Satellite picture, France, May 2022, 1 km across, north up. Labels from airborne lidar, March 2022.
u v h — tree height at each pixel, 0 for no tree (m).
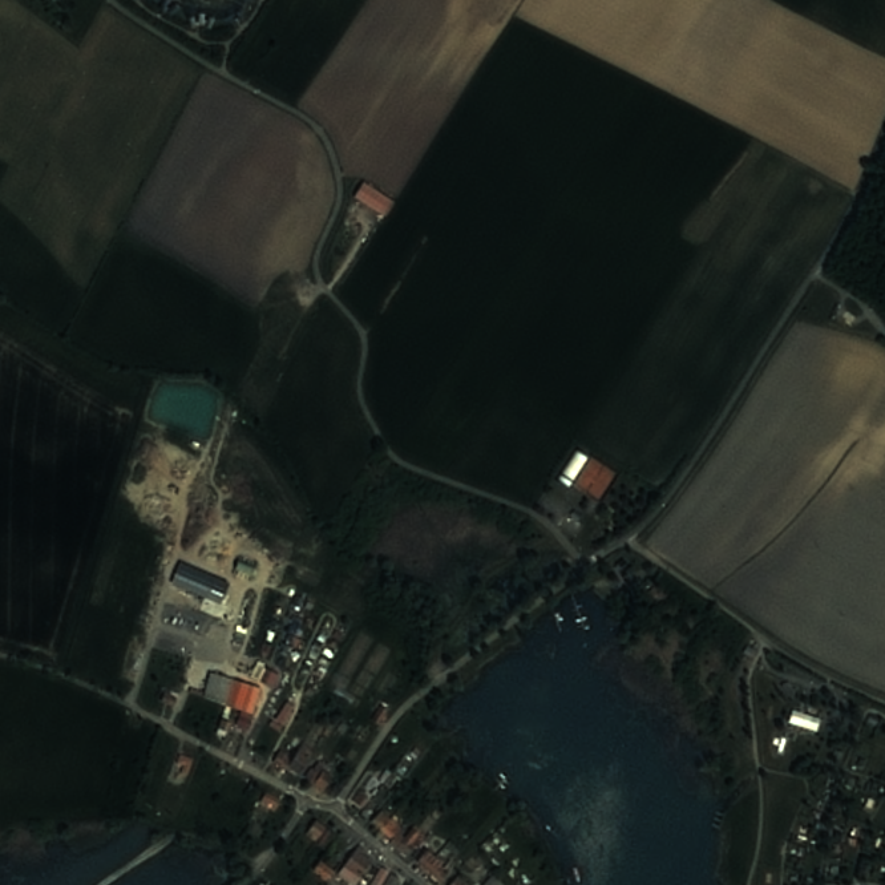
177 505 0
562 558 0
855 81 0
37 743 0
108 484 0
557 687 0
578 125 0
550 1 0
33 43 0
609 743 0
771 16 0
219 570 0
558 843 0
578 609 0
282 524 0
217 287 0
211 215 0
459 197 0
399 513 0
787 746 0
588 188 0
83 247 0
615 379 0
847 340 0
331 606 0
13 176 0
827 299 0
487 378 0
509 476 0
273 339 0
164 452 0
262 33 0
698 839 0
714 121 0
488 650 12
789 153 0
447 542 0
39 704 0
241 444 0
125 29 0
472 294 0
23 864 0
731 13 0
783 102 0
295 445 0
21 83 0
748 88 0
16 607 0
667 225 0
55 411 0
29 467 0
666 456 0
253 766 0
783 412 0
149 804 0
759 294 0
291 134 0
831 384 0
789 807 0
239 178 0
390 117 0
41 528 0
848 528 0
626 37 0
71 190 0
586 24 0
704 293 0
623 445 0
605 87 0
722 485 0
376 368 0
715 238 0
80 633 0
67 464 0
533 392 0
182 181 0
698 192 0
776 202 0
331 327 0
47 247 0
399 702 0
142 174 0
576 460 0
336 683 0
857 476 0
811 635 0
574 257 0
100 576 0
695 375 0
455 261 0
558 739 0
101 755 0
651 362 0
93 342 0
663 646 6
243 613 0
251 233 0
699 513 0
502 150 0
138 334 0
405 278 0
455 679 15
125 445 0
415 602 17
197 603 0
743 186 0
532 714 0
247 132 0
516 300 0
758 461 0
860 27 0
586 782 0
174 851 0
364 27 0
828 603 0
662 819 0
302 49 0
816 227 0
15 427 0
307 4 0
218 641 0
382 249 0
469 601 0
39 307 0
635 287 0
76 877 0
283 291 0
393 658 0
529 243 0
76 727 0
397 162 0
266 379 0
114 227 0
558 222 0
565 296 0
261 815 0
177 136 0
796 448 0
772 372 0
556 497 0
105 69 0
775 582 0
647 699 0
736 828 0
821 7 0
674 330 0
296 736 0
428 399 0
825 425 0
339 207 0
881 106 0
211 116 0
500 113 0
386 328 0
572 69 0
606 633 0
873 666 0
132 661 0
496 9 0
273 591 0
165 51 0
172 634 0
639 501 8
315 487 0
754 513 0
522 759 0
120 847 0
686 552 0
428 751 0
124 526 0
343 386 0
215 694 0
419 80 0
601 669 0
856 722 13
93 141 0
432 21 0
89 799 0
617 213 0
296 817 0
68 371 0
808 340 0
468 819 0
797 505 0
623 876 0
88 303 0
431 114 0
